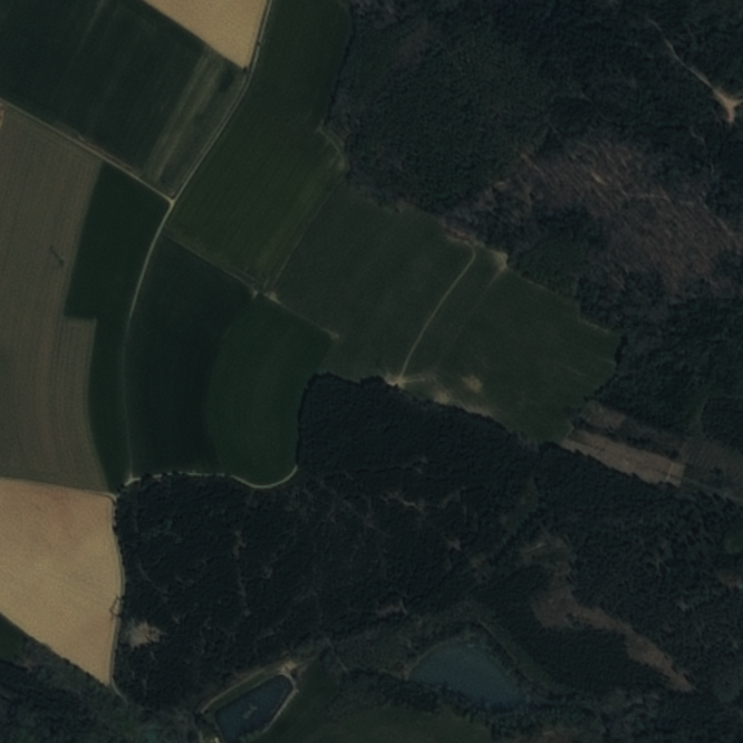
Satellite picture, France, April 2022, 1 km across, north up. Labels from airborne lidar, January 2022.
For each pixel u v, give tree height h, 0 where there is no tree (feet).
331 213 0
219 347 0
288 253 0
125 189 0
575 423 79
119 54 0
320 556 20
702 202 85
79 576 0
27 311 0
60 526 0
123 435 0
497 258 0
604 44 88
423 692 43
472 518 27
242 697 0
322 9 0
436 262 0
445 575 61
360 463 41
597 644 27
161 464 0
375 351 0
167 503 47
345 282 0
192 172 0
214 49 0
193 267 0
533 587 30
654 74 45
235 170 0
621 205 87
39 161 0
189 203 0
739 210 28
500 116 31
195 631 34
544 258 49
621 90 68
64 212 0
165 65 0
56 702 70
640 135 23
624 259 84
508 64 52
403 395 59
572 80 45
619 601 64
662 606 75
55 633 0
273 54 0
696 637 72
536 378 0
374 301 0
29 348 0
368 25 24
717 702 86
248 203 0
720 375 38
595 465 62
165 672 30
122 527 33
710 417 34
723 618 71
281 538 25
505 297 0
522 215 25
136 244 0
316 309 0
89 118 0
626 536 89
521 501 102
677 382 36
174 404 0
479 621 45
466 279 0
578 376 0
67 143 0
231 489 31
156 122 0
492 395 0
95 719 100
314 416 53
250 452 0
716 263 81
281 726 0
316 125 0
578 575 77
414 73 47
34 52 0
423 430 36
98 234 0
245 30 0
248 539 38
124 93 0
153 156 0
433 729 0
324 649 46
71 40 0
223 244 0
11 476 0
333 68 0
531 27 58
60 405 0
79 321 0
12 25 0
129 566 30
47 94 0
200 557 35
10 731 85
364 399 52
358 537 20
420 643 73
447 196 52
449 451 63
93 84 0
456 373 0
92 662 0
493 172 45
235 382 0
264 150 0
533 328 0
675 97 52
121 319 0
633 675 28
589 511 62
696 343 37
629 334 77
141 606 24
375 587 30
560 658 28
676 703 78
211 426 0
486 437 80
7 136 0
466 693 0
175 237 0
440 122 54
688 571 89
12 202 0
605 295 60
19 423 0
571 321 0
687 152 39
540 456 77
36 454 0
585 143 74
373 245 0
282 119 0
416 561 34
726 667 81
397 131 51
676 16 44
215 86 0
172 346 0
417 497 26
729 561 32
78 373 0
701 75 41
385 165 39
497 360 0
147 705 39
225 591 28
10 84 0
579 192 70
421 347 0
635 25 72
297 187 0
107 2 0
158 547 38
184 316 0
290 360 0
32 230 0
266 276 0
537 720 99
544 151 28
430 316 0
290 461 0
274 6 0
